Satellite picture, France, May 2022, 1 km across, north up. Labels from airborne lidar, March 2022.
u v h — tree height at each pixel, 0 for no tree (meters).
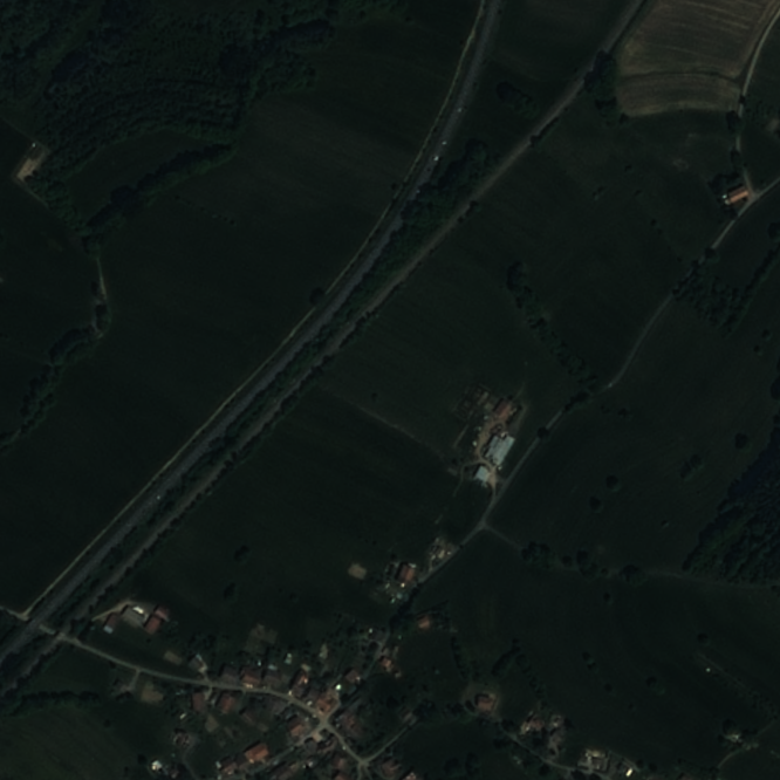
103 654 0
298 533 0
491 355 0
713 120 0
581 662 0
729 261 0
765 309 0
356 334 9
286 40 19
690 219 0
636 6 0
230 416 0
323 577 0
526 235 0
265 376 0
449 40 0
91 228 13
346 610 0
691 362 0
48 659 12
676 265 0
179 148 0
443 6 0
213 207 0
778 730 0
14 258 0
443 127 0
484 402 0
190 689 10
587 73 0
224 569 0
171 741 0
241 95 20
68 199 14
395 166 0
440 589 0
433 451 0
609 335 0
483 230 0
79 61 26
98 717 0
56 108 16
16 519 0
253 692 0
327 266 0
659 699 0
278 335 0
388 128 0
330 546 0
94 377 0
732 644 0
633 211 0
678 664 0
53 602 0
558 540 0
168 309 0
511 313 0
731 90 0
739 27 0
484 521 0
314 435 0
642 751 0
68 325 0
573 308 0
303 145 0
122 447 0
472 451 0
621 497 0
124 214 23
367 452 0
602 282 0
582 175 0
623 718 0
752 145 0
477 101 0
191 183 0
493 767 0
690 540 0
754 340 0
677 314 0
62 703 11
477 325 0
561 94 0
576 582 0
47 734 0
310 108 0
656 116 0
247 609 0
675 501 0
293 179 0
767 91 0
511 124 0
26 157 0
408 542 0
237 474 0
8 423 0
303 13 14
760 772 0
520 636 0
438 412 0
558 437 0
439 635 0
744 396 0
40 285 0
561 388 0
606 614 0
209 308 0
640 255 0
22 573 0
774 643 0
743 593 0
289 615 0
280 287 0
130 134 16
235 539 0
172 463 0
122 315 0
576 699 0
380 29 0
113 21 33
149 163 0
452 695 0
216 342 0
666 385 0
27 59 24
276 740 0
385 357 0
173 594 0
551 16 0
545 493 0
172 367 0
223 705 0
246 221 0
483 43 0
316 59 0
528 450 0
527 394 0
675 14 0
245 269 0
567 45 0
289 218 0
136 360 0
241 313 0
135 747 0
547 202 0
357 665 0
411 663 0
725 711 0
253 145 0
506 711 0
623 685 0
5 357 0
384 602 0
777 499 16
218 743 0
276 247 0
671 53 0
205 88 6
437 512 0
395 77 0
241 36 15
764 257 0
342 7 13
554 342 16
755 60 0
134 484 0
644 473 0
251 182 0
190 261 0
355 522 0
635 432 0
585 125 0
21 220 0
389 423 0
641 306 0
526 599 0
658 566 0
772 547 8
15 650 0
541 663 0
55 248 0
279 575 0
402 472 0
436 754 0
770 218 0
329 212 0
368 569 0
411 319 0
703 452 0
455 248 0
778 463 24
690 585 0
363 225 0
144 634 0
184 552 0
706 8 0
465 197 10
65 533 0
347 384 0
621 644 0
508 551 0
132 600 0
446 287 0
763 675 0
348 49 0
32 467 0
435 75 0
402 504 0
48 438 0
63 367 7
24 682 14
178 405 0
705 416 0
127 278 0
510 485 0
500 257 0
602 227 0
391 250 13
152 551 13
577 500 0
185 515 6
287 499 0
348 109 0
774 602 0
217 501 0
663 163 0
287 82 23
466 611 0
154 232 0
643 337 0
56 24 21
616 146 0
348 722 0
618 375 0
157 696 0
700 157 0
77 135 9
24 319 0
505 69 0
